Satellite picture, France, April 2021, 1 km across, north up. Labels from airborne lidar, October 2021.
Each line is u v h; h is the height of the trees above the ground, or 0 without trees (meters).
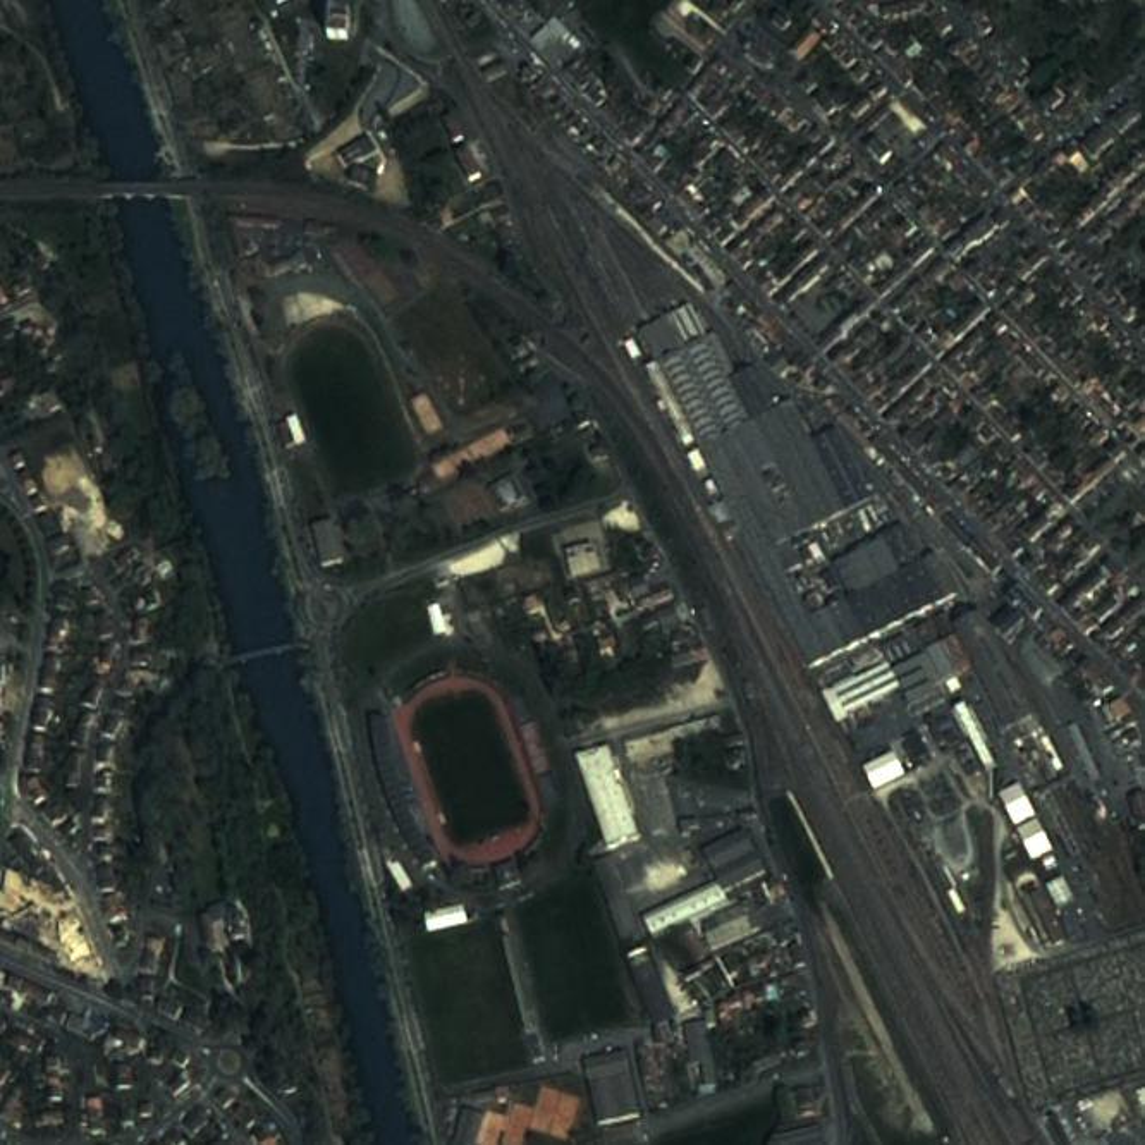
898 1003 0
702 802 0
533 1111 0
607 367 0
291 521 0
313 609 0
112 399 23
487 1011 0
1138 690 0
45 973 0
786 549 0
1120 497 16
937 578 0
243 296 0
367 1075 0
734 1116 0
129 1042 0
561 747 0
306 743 0
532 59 0
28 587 7
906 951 0
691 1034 0
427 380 0
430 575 0
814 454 0
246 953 13
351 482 0
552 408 0
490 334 15
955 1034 0
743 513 0
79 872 0
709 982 11
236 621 0
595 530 0
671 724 0
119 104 0
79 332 13
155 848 18
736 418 0
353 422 0
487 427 0
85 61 0
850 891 0
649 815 0
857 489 0
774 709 0
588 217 0
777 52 10
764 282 0
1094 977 0
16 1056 9
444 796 0
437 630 0
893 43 6
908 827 0
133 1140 0
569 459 0
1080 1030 15
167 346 0
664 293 0
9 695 0
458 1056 0
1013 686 0
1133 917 0
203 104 10
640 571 10
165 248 0
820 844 0
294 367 0
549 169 0
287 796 12
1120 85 0
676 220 0
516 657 0
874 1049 0
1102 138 0
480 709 0
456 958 0
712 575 0
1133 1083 0
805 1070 0
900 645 0
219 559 0
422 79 13
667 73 0
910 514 0
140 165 0
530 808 0
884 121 7
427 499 0
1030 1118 0
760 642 0
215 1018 10
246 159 0
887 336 6
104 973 0
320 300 0
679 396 0
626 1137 0
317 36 0
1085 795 0
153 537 14
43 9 12
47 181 8
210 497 0
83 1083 11
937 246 0
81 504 0
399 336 0
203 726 21
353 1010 0
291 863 8
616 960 0
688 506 0
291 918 9
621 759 0
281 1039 18
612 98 6
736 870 0
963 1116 0
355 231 0
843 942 0
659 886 0
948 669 0
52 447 0
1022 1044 0
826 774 0
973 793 0
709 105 0
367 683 0
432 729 0
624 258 0
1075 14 7
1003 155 7
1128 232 7
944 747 6
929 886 0
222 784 12
